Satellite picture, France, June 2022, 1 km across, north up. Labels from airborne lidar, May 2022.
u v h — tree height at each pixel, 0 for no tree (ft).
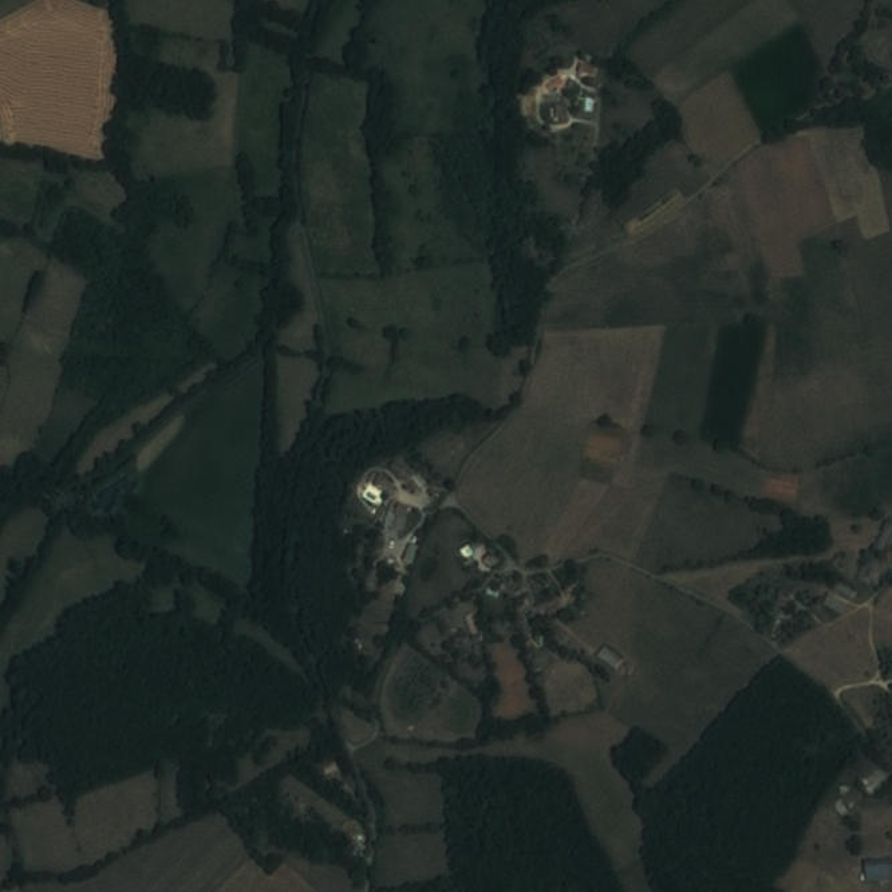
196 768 45
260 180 0
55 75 0
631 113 0
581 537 0
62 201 25
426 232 0
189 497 0
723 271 0
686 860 38
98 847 0
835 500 0
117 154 55
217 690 38
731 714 41
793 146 0
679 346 0
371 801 21
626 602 0
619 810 0
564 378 0
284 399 0
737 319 0
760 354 0
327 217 0
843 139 0
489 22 63
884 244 0
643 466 0
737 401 0
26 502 64
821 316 0
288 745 0
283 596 50
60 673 63
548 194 0
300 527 67
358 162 0
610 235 0
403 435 55
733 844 37
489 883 52
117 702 43
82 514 39
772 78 0
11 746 46
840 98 39
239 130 0
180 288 0
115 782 37
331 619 44
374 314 0
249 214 58
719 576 0
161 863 0
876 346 0
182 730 40
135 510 43
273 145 0
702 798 45
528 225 31
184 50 0
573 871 40
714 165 0
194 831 0
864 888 0
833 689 0
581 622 0
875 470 0
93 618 69
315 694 53
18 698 69
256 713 37
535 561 23
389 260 28
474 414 63
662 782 20
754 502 36
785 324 0
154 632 67
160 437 0
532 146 23
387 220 26
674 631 0
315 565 39
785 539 34
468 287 0
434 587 0
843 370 0
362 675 27
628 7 0
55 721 49
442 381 0
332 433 68
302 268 0
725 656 0
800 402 0
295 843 27
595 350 0
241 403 0
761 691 38
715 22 0
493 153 40
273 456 64
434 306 0
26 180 0
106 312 21
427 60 0
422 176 0
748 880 42
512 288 48
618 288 0
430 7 0
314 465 72
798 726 37
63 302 0
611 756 30
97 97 0
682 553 0
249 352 42
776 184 0
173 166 0
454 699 0
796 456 0
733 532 0
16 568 85
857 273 0
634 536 0
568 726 0
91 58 0
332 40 0
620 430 0
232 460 0
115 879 0
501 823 49
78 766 45
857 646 0
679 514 0
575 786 27
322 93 0
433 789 0
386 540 0
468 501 0
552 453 0
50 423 0
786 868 42
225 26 0
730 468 0
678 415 0
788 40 0
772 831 37
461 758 44
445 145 22
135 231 42
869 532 0
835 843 0
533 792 22
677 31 0
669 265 0
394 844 0
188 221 41
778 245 0
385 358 0
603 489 0
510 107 34
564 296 0
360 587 23
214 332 0
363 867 26
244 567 0
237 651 77
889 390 0
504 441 0
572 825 29
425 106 0
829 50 0
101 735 45
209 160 0
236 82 0
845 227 0
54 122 0
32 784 0
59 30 0
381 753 0
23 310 26
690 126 0
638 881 0
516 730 45
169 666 52
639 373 0
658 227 0
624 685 0
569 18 0
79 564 0
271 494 66
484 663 19
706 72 0
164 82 78
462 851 45
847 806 0
